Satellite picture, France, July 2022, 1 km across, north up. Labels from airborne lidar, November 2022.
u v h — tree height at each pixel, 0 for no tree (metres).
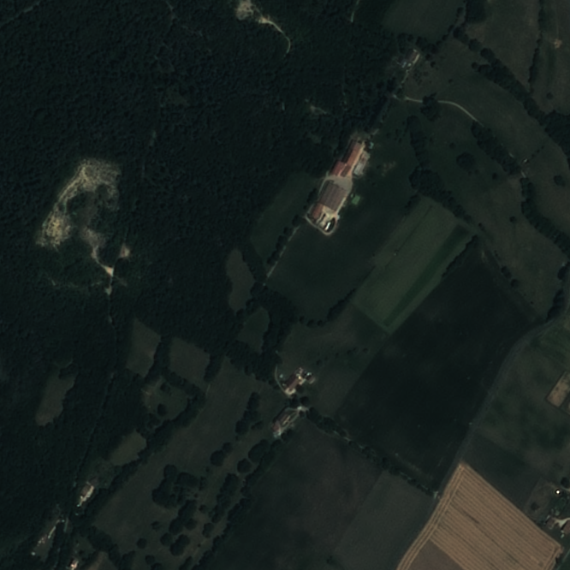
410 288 0
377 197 0
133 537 0
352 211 0
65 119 9
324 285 0
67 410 15
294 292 0
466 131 0
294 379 0
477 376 0
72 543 15
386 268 0
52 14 17
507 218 0
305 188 0
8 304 17
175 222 9
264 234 0
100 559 0
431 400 0
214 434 0
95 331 19
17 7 17
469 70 0
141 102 17
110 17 10
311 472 0
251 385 0
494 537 0
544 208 0
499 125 0
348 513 0
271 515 0
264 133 12
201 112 14
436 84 0
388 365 0
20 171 17
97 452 14
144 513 0
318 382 0
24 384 20
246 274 0
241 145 16
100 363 16
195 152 15
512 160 17
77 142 14
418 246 0
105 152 12
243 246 19
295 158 16
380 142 0
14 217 20
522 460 0
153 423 21
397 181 0
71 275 13
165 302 16
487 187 0
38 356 18
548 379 0
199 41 16
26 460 18
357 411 0
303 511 0
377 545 0
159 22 20
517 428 0
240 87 22
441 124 0
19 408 18
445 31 0
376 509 0
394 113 0
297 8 16
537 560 0
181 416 11
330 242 0
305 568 0
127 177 11
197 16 19
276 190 18
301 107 8
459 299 0
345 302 11
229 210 14
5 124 17
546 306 0
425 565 0
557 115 17
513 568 0
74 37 18
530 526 0
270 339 20
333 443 0
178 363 0
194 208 15
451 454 0
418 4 0
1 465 19
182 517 19
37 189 14
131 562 16
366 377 0
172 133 17
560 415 0
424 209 0
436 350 0
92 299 10
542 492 0
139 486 0
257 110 17
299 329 0
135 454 0
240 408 0
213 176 14
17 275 14
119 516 0
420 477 0
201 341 19
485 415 0
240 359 15
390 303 0
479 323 0
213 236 15
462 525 0
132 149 19
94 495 7
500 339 0
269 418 0
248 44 15
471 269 0
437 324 0
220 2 13
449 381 0
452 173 0
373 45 7
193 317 17
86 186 0
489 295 0
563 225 0
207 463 0
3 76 16
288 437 15
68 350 19
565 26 0
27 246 13
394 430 0
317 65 19
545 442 0
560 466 0
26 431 13
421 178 23
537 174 0
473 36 0
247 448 0
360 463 0
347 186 0
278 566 0
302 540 0
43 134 7
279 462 0
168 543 15
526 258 0
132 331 17
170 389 19
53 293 11
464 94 0
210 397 0
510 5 0
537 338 0
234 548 0
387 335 0
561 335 0
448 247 0
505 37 0
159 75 9
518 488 0
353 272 0
